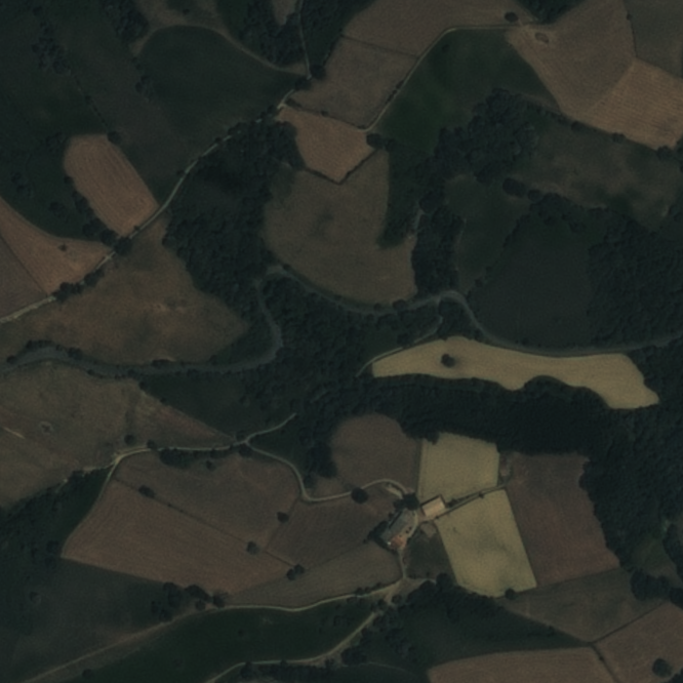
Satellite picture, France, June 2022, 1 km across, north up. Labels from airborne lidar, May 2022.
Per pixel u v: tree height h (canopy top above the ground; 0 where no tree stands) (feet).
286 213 0
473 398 28
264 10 50
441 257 66
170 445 0
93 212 38
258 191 31
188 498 0
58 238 0
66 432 0
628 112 0
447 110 0
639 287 37
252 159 63
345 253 0
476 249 0
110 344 0
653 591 67
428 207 54
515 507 0
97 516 0
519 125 40
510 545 0
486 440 48
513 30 0
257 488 0
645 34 0
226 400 0
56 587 0
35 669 0
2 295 0
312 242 0
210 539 0
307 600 0
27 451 0
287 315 67
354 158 0
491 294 0
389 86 0
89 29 0
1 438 0
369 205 0
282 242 0
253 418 0
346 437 0
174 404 0
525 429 43
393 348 0
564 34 0
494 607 34
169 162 0
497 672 0
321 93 0
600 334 33
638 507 52
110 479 0
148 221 0
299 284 48
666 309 32
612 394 0
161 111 0
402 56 0
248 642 0
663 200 0
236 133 44
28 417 0
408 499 45
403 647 49
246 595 0
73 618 0
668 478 65
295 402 41
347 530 0
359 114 0
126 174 0
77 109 0
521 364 0
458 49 0
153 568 0
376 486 0
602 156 0
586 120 0
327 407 56
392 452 0
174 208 35
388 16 0
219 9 0
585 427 37
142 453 0
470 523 0
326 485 0
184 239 55
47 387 0
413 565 0
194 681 0
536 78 0
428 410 19
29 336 0
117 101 0
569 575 0
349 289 0
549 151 0
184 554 0
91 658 0
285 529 0
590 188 0
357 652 37
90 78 0
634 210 0
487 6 0
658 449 38
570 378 0
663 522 66
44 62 39
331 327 61
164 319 0
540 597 0
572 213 67
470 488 0
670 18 0
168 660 0
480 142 70
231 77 0
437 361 0
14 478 0
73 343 0
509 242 34
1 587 0
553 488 0
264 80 0
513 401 27
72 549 0
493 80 0
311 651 0
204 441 0
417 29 0
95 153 0
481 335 52
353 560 0
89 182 0
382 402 50
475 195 0
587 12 0
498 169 78
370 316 23
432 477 0
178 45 0
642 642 0
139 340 0
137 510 0
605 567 0
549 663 0
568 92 0
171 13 0
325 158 0
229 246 76
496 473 0
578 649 0
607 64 0
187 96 0
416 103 0
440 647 0
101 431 0
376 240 0
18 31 0
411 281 0
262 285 0
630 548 37
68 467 0
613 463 46
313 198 0
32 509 54
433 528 0
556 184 0
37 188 0
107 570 0
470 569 0
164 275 0
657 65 0
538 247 0
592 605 0
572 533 0
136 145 0
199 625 0
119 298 0
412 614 52
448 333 34
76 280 0
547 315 0
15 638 0
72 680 0
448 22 0
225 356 0
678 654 0
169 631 0
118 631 0
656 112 0
